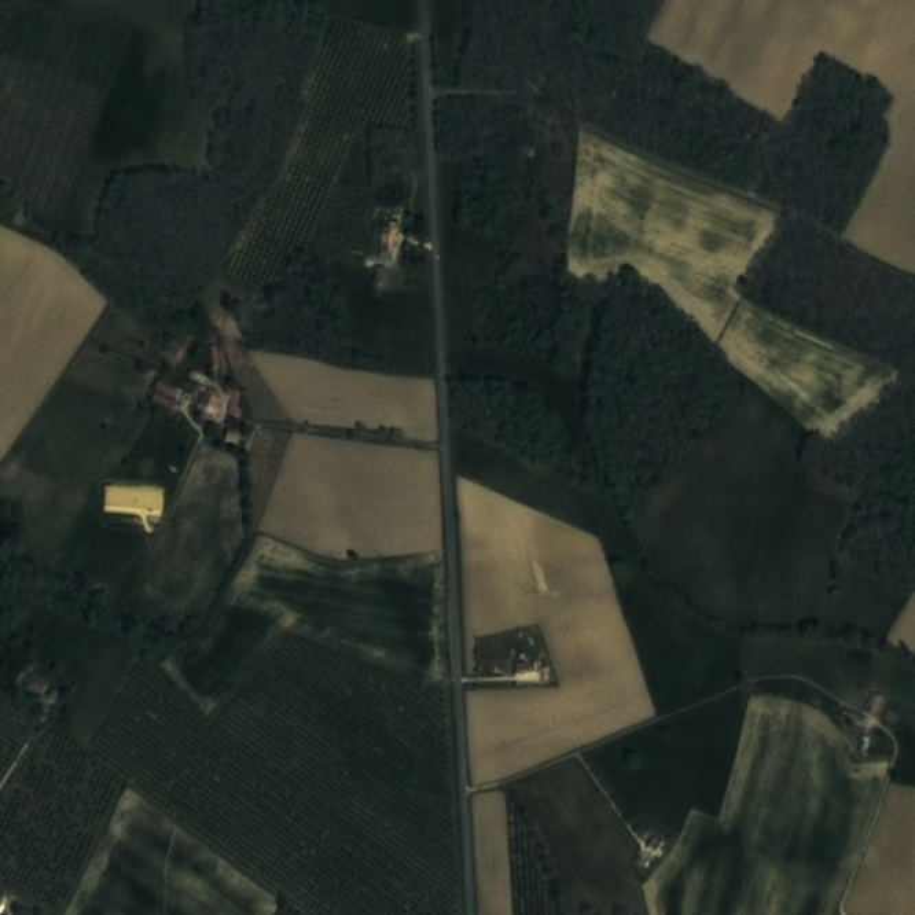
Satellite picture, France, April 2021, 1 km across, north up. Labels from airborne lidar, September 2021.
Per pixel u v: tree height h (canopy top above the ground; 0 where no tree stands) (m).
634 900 0
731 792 0
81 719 0
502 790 0
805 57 0
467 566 0
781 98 0
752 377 0
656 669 0
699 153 16
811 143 20
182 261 21
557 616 0
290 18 10
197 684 0
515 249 20
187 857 0
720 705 0
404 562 0
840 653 0
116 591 0
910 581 18
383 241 0
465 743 0
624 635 0
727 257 0
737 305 0
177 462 0
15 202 16
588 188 0
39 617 0
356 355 14
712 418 21
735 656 0
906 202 0
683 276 0
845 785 0
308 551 0
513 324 15
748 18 0
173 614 0
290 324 18
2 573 12
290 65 17
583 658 0
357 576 0
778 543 0
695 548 0
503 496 0
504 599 0
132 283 20
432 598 0
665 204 0
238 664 0
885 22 0
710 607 0
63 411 0
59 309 0
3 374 0
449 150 19
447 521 0
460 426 17
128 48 0
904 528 25
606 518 0
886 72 0
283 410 0
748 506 0
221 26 17
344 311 17
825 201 20
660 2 21
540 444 21
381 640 0
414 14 0
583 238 0
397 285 0
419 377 0
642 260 0
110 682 0
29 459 0
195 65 16
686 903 0
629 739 0
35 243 0
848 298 18
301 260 15
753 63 0
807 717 0
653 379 26
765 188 12
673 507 0
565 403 0
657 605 0
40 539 0
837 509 0
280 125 17
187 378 0
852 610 0
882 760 0
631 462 19
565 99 18
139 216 22
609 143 0
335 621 0
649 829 0
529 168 10
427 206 0
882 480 21
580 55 24
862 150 23
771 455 0
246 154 18
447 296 0
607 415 26
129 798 0
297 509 0
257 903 0
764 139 18
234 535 0
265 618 0
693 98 24
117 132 0
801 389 0
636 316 21
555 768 0
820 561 0
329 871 5
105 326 0
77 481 0
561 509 0
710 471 0
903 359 18
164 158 0
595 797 0
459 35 0
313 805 5
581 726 0
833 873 0
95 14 0
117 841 0
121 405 0
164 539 0
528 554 0
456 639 0
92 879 0
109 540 0
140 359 0
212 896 0
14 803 6
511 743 0
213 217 21
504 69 19
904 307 16
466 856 0
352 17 0
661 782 0
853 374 0
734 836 0
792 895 0
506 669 0
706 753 0
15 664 0
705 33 0
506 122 19
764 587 0
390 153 16
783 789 0
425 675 0
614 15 25
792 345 0
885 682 0
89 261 17
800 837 0
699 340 18
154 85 0
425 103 0
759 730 0
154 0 0
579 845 0
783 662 0
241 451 10
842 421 0
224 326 0
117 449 0
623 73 21
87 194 0
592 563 0
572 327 21
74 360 0
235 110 15
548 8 22
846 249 12
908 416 20
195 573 0
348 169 0
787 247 15
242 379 0
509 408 23
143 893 0
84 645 0
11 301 0
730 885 0
